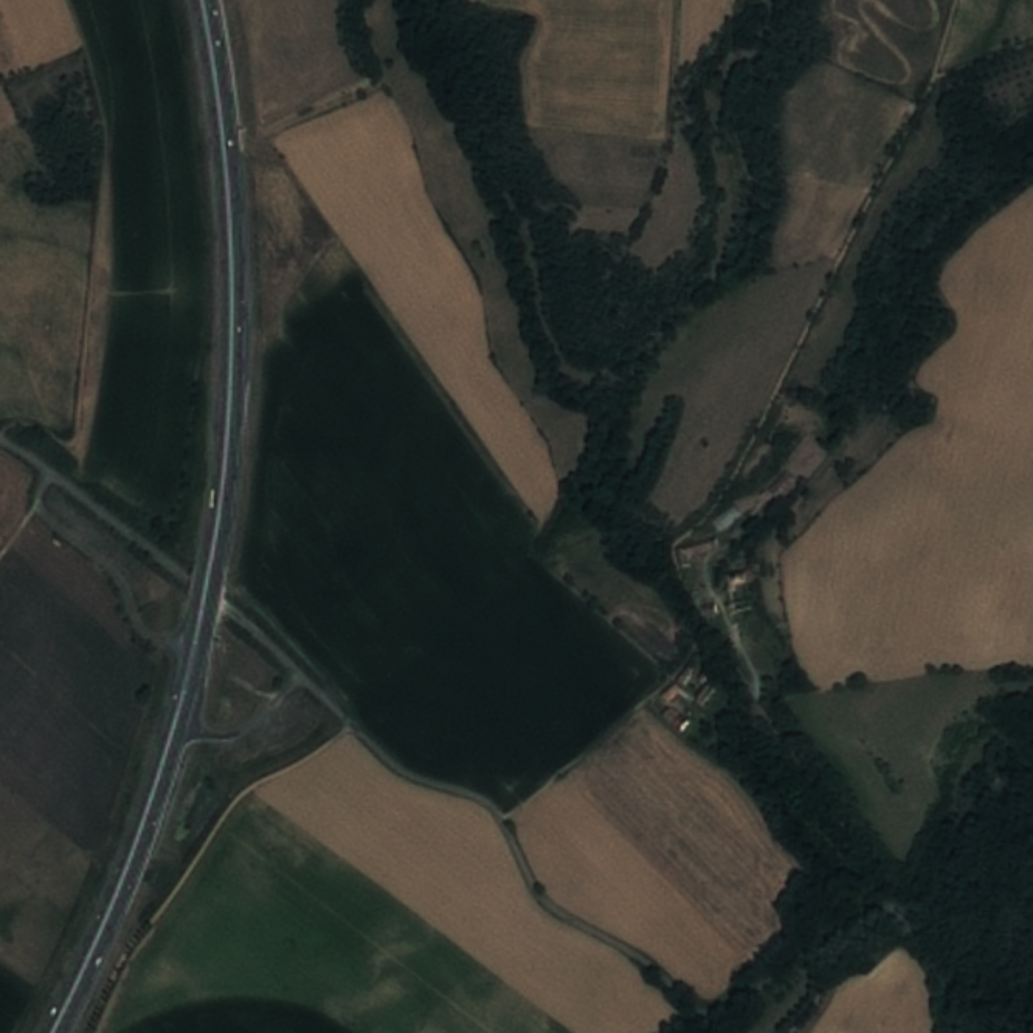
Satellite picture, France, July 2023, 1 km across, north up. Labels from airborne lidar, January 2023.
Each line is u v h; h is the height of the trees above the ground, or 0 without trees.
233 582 0
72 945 0
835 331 0
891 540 0
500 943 0
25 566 0
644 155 0
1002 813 22
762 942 0
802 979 7
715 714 0
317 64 0
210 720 0
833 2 0
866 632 0
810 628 0
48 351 0
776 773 19
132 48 0
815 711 0
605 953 0
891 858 11
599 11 0
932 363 0
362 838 0
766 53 20
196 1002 0
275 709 0
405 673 0
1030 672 12
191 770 0
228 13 0
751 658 0
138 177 0
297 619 0
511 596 0
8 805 0
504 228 20
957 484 0
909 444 0
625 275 11
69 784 0
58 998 0
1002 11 0
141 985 0
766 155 12
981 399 0
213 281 0
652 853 0
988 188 19
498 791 0
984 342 0
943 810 13
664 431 12
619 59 0
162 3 0
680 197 0
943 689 0
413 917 0
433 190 0
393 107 0
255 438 0
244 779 0
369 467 0
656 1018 0
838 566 0
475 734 0
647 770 0
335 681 0
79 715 0
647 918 0
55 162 9
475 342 0
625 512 19
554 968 0
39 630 0
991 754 19
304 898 0
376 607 0
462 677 0
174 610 0
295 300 0
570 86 0
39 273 0
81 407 0
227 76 0
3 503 0
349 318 0
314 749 0
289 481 0
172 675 0
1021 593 0
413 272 0
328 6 0
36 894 0
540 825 0
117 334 0
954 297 0
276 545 0
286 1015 0
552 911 0
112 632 0
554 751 0
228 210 0
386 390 0
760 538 10
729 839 0
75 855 0
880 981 0
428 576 0
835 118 0
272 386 0
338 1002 0
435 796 0
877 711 0
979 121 11
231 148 0
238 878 0
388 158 0
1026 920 13
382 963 0
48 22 0
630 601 0
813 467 0
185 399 0
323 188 0
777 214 14
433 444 0
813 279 0
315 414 0
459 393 0
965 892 21
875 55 0
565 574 0
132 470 0
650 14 0
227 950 0
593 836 0
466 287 0
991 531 0
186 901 0
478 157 18
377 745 0
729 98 17
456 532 0
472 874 0
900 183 0
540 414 0
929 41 0
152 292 0
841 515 0
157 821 0
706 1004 0
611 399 22
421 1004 0
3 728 0
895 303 18
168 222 0
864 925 15
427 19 18
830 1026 0
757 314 0
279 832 0
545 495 0
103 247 0
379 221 0
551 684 0
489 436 0
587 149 0
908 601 0
